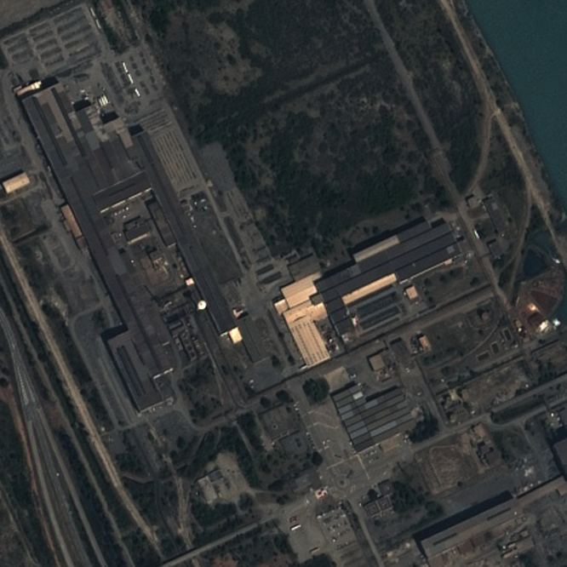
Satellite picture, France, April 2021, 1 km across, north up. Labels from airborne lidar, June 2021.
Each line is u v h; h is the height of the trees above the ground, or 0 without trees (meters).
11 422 6
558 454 0
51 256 0
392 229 0
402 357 0
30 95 0
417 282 0
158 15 12
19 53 0
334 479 0
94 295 0
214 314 0
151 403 0
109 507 7
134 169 0
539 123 0
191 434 0
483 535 0
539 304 0
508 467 0
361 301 0
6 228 0
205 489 0
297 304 0
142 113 0
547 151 0
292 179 6
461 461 0
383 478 0
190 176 0
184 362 0
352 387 0
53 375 7
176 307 0
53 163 0
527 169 0
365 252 0
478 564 0
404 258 0
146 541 9
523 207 0
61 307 0
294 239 12
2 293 9
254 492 0
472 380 7
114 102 0
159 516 0
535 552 0
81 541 0
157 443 0
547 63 0
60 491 0
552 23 0
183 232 0
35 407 0
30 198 0
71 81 0
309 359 0
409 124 6
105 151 0
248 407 0
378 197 8
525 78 0
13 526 0
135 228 0
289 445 0
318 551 0
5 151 0
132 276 0
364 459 0
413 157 7
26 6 0
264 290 0
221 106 6
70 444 13
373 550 0
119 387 0
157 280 0
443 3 0
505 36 0
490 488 0
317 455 11
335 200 8
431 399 0
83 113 0
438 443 0
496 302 0
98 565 0
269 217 6
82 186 0
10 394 0
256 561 8
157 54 0
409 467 0
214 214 0
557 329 0
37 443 0
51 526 0
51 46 0
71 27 0
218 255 0
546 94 0
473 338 0
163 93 0
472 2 0
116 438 0
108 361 0
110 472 0
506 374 0
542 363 8
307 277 0
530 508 0
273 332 0
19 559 0
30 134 0
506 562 0
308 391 11
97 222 0
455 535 0
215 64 0
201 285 0
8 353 0
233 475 0
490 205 0
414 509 11
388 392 0
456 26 0
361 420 0
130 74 0
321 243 13
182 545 16
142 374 0
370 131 9
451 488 0
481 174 0
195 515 11
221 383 0
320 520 0
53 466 0
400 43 9
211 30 0
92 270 0
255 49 0
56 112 0
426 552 0
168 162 0
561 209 6
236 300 0
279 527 0
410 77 0
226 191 0
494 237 0
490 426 0
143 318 0
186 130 0
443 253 0
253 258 0
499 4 0
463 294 0
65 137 0
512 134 0
